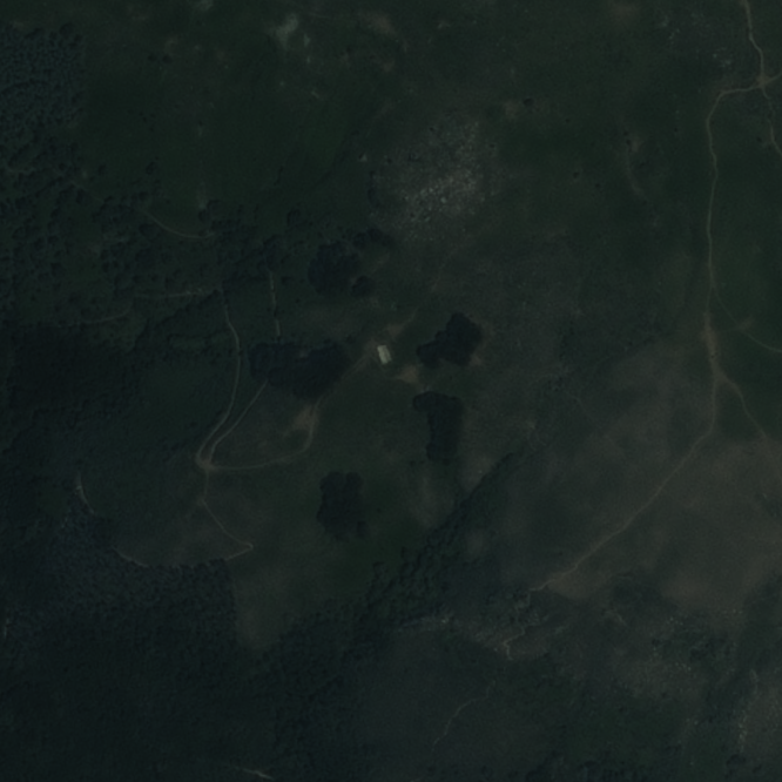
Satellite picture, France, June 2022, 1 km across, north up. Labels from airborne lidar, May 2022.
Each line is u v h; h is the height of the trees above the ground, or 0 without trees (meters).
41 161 24
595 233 0
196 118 0
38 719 26
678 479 0
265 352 23
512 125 0
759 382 0
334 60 0
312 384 19
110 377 20
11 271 22
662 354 0
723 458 0
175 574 16
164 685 8
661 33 0
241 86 0
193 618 15
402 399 0
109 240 11
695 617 0
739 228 0
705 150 0
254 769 13
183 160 0
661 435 0
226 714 13
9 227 15
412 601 17
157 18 0
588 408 0
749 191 0
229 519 0
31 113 26
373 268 0
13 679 20
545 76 0
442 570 6
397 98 0
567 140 0
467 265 0
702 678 0
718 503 0
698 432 0
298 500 0
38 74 29
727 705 0
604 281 0
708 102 0
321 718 24
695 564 0
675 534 0
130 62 0
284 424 0
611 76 0
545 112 0
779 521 0
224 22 0
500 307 0
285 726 19
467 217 0
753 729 0
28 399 22
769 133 0
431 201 0
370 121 0
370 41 0
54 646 16
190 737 15
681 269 0
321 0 0
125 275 20
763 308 0
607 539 0
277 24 0
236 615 11
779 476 0
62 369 22
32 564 17
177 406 0
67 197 17
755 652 0
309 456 0
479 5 0
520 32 0
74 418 9
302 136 0
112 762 8
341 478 17
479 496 11
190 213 0
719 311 0
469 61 0
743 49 0
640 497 0
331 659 37
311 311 0
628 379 0
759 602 0
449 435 29
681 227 0
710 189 0
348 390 0
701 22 0
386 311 0
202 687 19
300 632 17
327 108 0
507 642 0
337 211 0
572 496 0
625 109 0
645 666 0
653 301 0
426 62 0
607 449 0
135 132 0
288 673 31
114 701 22
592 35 0
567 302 0
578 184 0
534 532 0
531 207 0
